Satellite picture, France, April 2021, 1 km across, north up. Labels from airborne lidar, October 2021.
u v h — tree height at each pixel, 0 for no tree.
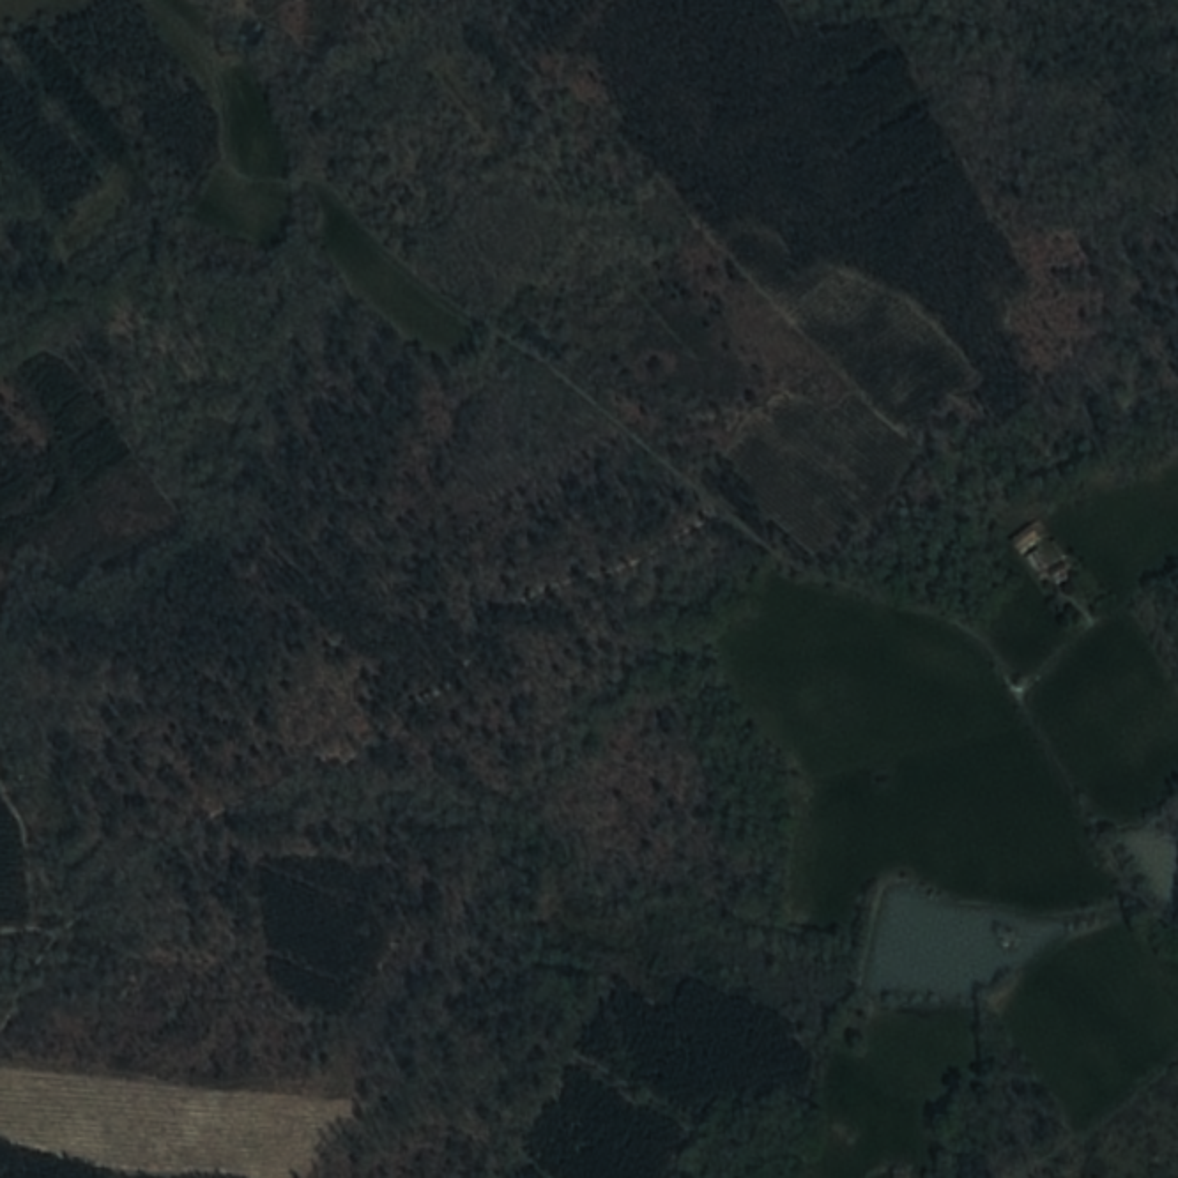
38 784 21
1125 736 0
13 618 21
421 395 25
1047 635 0
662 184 20
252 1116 0
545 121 22
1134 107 18
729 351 11
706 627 24
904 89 15
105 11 13
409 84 16
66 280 26
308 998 13
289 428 23
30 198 18
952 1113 18
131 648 21
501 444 14
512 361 14
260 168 0
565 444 13
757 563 12
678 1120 7
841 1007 7
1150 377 22
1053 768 0
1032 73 18
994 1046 15
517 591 10
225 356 20
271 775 12
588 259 8
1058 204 13
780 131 13
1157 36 22
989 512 12
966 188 12
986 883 0
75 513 7
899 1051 0
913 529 11
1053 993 0
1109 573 0
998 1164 15
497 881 13
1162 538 0
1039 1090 10
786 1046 14
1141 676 0
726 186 14
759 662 0
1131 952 0
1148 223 16
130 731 7
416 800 16
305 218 15
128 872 19
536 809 17
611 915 7
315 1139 0
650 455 10
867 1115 0
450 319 0
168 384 17
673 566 19
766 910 26
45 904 20
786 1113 24
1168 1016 0
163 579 19
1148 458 22
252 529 16
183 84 11
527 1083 17
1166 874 0
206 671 21
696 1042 10
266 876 10
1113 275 17
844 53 15
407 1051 21
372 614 16
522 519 9
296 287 15
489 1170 16
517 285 13
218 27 9
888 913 0
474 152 16
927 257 11
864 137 15
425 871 12
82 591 23
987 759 0
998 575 14
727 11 16
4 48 11
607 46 10
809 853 0
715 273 10
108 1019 8
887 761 0
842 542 13
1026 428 17
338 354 19
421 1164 9
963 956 0
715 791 16
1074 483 17
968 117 12
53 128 18
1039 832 0
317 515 25
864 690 0
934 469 20
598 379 10
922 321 0
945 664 0
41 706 18
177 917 13
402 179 11
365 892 11
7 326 25
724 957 10
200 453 11
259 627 19
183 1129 0
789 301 0
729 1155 25
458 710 9
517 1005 25
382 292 0
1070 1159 7
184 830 9
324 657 10
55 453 10
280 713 9
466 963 13
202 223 10
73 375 6
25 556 21
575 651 14
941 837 0
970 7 13
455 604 13
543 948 12
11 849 9
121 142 19
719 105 17
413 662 16
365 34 17
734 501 13
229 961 8
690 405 7
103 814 25
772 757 14
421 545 7
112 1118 0
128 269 19
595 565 12
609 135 8
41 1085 0
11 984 15
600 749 17
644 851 8
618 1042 12
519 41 17
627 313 7
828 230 9
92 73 14
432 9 12
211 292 20
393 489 10
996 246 13
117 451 9
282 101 17
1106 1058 0
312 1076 9
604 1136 9
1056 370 9
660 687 27
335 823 17
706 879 11
